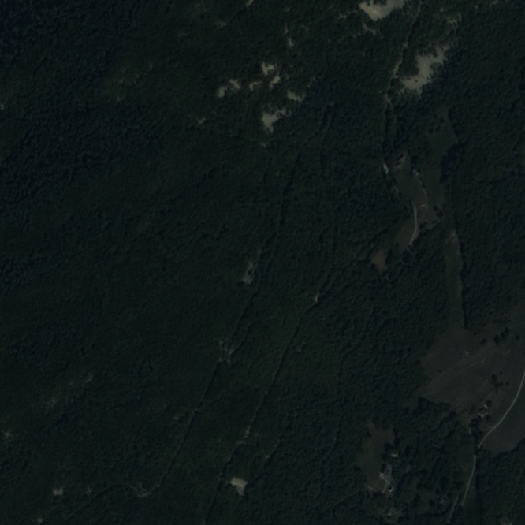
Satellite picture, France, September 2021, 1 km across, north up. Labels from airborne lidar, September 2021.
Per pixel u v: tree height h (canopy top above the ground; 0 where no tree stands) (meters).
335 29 18
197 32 19
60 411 15
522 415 0
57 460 20
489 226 23
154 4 18
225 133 16
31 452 19
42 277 18
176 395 15
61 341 25
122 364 20
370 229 21
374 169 15
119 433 20
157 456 20
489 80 21
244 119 10
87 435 23
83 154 25
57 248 28
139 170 21
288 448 23
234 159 23
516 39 23
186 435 18
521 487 16
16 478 17
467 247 19
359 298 16
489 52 20
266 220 24
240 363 17
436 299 16
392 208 20
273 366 11
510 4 12
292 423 20
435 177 0
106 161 22
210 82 28
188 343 19
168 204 20
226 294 19
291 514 20
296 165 12
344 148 21
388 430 21
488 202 20
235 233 18
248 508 20
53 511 11
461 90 23
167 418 17
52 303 20
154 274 21
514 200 22
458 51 12
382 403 25
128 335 19
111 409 26
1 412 16
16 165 27
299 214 20
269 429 16
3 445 17
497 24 16
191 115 15
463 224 19
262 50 17
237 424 20
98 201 14
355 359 24
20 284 20
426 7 9
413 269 19
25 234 21
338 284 24
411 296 22
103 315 20
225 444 14
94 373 18
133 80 15
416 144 20
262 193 18
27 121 33
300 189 24
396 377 22
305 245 24
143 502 11
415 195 0
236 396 22
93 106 18
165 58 19
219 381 23
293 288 20
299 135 17
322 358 15
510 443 0
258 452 15
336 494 20
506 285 22
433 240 16
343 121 18
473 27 12
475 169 26
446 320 24
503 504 18
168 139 27
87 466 19
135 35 20
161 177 20
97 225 24
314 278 16
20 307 18
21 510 18
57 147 29
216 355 14
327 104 10
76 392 15
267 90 11
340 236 17
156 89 17
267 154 17
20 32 25
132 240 21
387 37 13
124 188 19
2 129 25
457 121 17
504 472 18
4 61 23
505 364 0
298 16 9
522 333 0
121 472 24
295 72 13
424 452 21
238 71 14
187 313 22
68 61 31
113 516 22
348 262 22
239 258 20
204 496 17
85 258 22
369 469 0
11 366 23
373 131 24
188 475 21
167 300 22
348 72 19
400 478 9
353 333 14
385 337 24
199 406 12
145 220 15
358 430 19
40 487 17
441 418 18
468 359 0
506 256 13
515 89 21
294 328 13
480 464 18
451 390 0
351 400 23
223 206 21
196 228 24
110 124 27
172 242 28
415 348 21
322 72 15
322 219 21
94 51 27
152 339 20
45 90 26
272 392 18
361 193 19
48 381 17
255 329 21
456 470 19
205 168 17
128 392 21
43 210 22
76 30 23
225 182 18
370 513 18
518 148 23
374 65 13
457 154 15
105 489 18
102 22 26
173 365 21
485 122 24
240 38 18
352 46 19
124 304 20
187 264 15
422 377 19
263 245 19
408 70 15
